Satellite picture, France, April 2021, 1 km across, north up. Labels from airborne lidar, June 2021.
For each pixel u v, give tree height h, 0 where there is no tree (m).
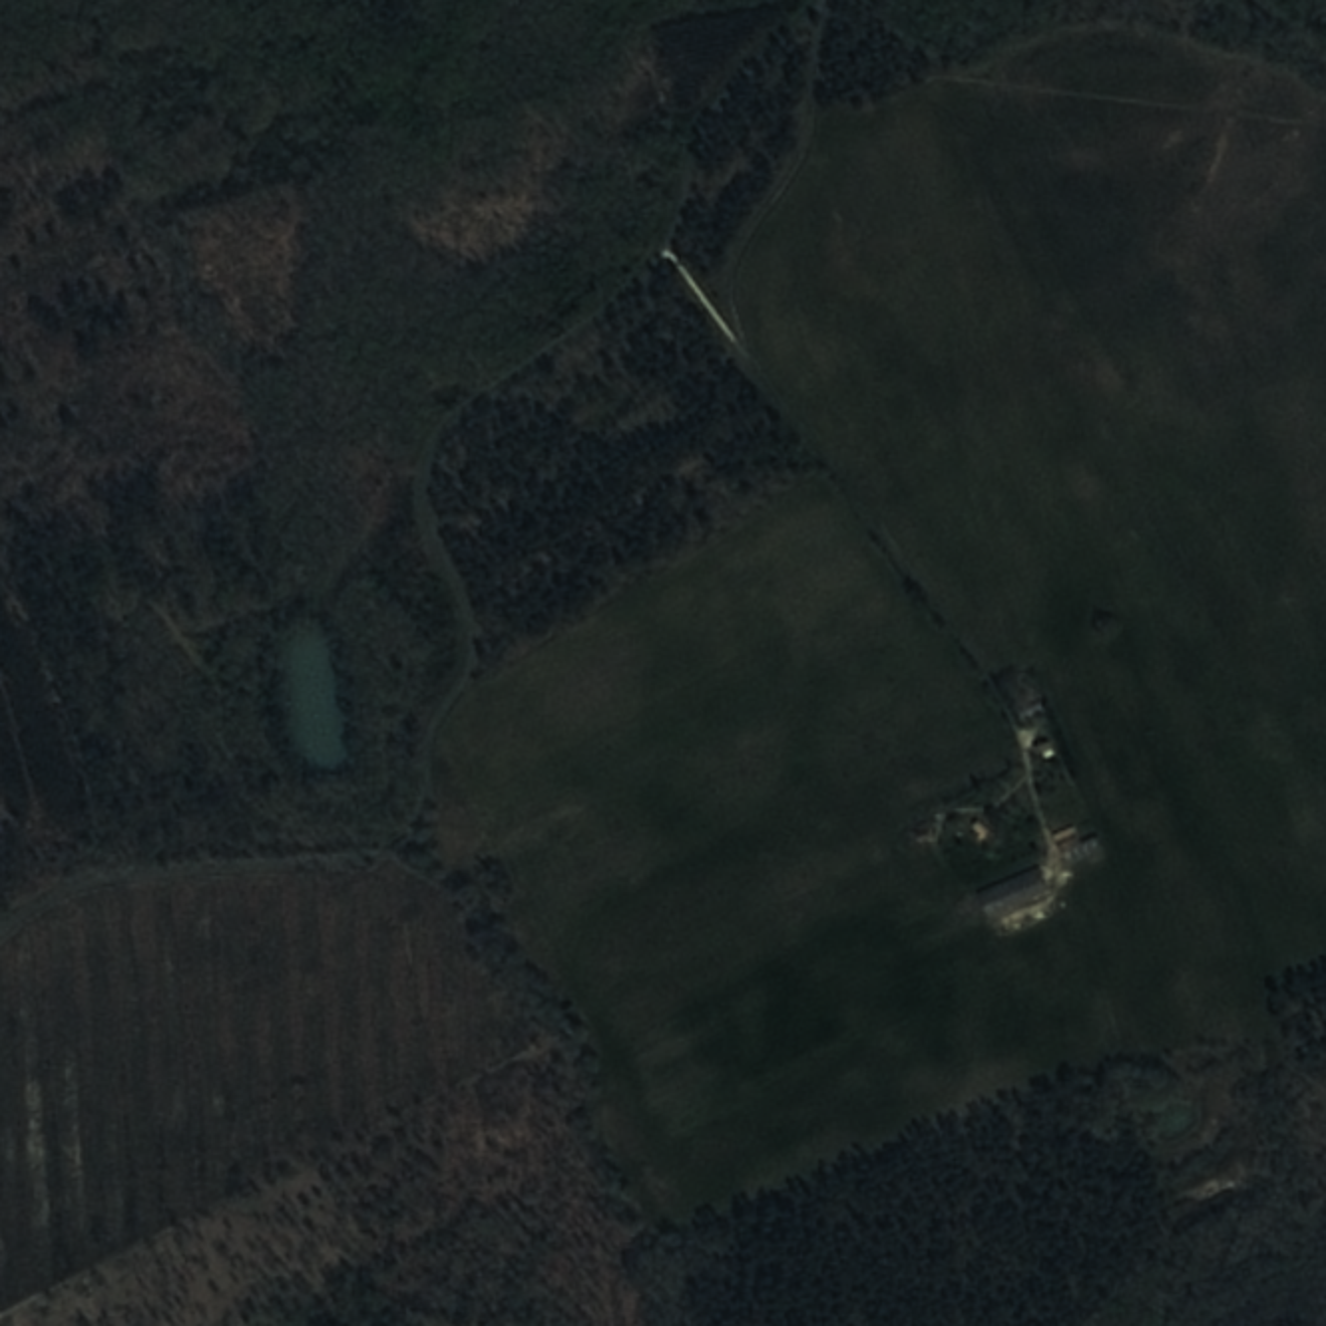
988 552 0
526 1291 16
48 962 0
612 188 18
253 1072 0
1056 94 0
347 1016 0
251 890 0
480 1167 11
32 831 25
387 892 0
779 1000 0
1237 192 0
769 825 0
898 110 0
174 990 0
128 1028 0
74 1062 0
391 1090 0
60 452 8
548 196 13
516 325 19
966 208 0
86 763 24
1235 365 0
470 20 21
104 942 0
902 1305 18
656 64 7
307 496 17
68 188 12
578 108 16
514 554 18
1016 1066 0
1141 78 0
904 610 0
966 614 0
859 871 0
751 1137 0
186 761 14
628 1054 0
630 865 0
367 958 0
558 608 19
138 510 18
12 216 17
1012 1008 0
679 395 13
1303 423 0
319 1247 13
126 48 14
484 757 0
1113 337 0
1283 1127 11
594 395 6
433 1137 9
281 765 15
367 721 16
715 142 18
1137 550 0
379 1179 18
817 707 0
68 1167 0
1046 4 23
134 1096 0
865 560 0
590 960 0
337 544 24
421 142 21
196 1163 0
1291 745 0
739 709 0
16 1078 0
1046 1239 20
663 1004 0
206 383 13
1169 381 0
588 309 15
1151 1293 23
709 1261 15
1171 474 0
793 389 0
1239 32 14
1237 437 0
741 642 0
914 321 0
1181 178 0
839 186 0
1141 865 0
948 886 0
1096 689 0
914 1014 0
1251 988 0
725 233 18
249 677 13
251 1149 0
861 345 0
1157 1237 16
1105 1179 19
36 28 20
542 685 0
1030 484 0
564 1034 22
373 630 21
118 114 22
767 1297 19
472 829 0
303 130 19
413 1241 7
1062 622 0
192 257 12
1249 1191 6
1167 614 0
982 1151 18
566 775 0
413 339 17
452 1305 14
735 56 8
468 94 15
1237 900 0
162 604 15
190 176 15
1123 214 0
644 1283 23
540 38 17
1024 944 0
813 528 0
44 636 22
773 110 19
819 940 0
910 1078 0
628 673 0
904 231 0
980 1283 19
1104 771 0
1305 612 0
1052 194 0
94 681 14
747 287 0
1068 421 0
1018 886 0
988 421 0
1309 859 0
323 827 20
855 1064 0
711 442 16
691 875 0
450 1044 0
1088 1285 19
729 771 0
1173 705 0
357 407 17
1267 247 0
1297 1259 17
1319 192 0
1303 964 0
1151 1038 0
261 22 22
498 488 16
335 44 19
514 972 19
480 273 17
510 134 19
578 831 0
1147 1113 13
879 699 0
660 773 0
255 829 14
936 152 0
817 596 0
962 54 14
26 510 8
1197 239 0
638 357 13
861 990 0
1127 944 0
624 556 7
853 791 0
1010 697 15
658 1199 0
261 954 0
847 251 0
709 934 0
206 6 19
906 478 0
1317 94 13
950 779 0
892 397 0
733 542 0
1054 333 0
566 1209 13
